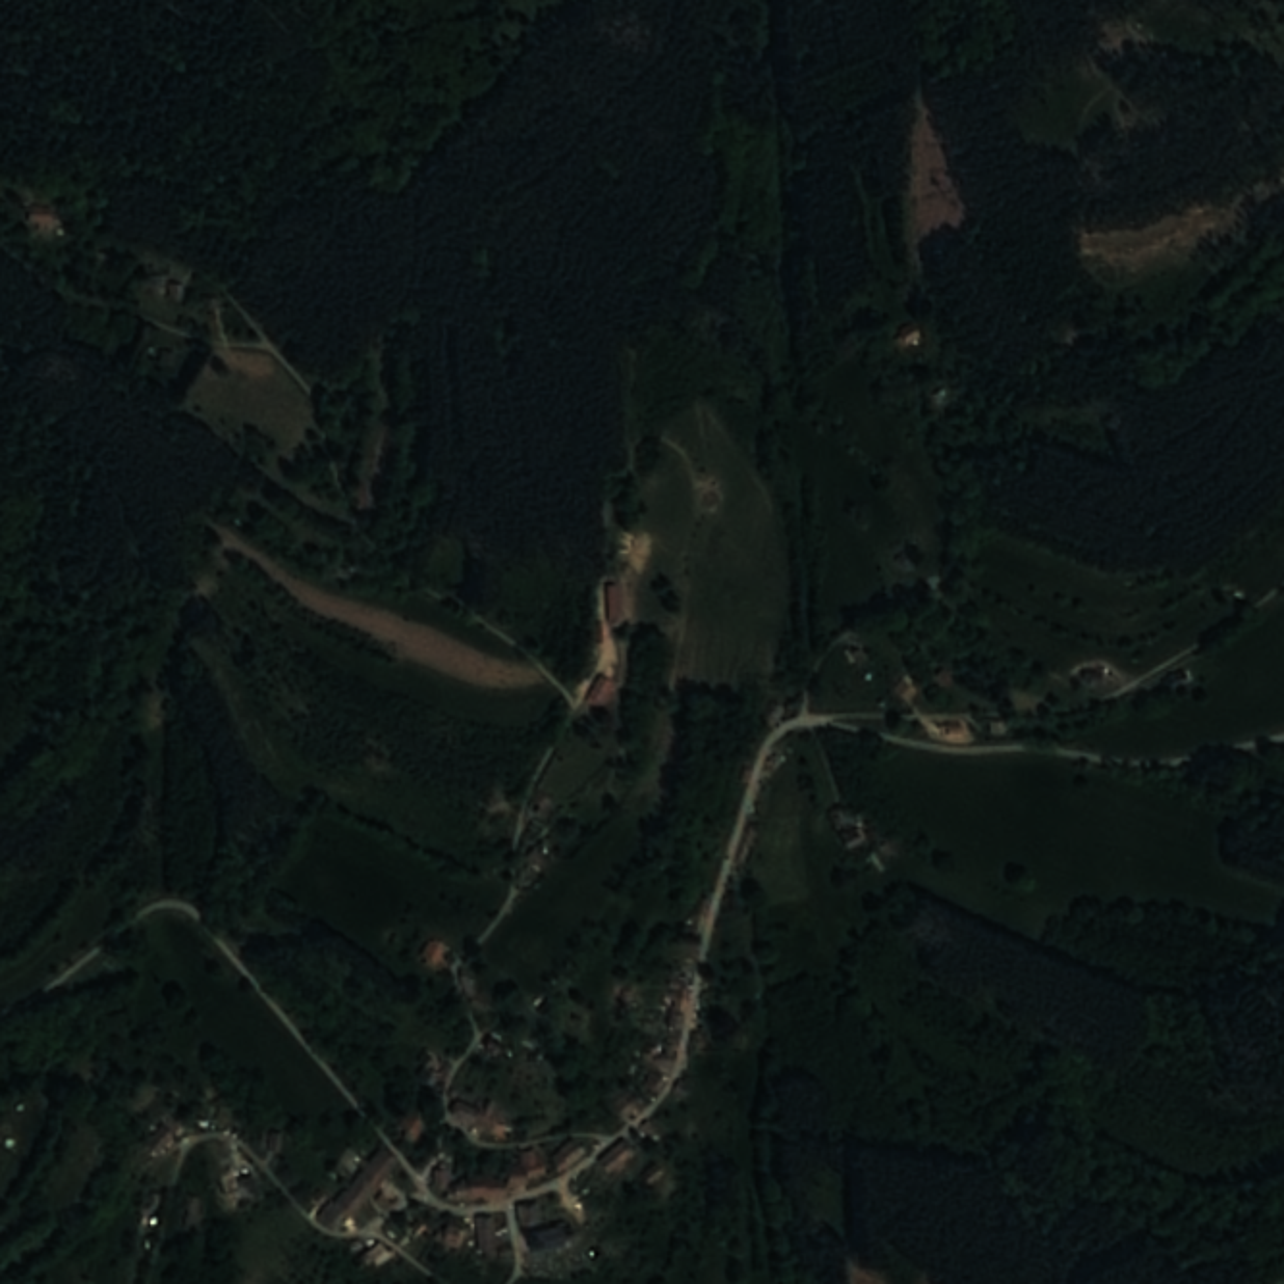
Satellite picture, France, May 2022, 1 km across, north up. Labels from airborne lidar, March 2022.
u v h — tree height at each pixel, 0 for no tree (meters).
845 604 0
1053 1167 28
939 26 21
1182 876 0
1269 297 23
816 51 32
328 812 19
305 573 21
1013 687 14
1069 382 19
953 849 0
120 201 27
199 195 24
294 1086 0
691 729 28
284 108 15
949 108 27
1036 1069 17
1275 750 15
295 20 16
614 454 31
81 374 33
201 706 29
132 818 25
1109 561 26
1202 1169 0
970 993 27
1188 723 0
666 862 12
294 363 26
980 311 31
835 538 0
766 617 0
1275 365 34
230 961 0
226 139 23
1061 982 31
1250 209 30
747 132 22
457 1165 6
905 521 0
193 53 25
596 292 35
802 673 11
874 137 28
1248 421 30
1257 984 27
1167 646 0
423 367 30
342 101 18
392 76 16
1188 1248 27
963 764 0
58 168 26
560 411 33
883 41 28
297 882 0
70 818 25
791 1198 28
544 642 6
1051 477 31
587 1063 18
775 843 0
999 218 22
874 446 0
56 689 19
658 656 21
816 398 15
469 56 15
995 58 27
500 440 31
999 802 0
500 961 0
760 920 9
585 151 31
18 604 19
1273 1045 27
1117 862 0
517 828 0
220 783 24
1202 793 19
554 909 0
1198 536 29
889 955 0
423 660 0
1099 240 27
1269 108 31
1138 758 0
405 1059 0
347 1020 21
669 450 0
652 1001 0
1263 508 31
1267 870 27
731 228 15
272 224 32
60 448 23
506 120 27
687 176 29
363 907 0
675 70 33
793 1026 9
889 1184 37
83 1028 20
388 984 27
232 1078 18
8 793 23
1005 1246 35
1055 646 0
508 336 33
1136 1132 0
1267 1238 20
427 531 24
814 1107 34
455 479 28
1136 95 29
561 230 34
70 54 24
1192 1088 6
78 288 21
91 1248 22
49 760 25
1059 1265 32
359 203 27
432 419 29
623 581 0
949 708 9
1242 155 27
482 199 37
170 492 29
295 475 23
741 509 0
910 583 0
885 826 13
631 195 31
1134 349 22
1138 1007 29
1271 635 0
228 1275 9
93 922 0
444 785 6
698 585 0
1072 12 24
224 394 0
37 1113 0
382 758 7
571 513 31
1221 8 21
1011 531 22
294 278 30
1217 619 0
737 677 0
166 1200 10
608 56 27
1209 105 30
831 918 0
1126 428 30
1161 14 0
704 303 33
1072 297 7
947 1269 33
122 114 21
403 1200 0
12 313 29
